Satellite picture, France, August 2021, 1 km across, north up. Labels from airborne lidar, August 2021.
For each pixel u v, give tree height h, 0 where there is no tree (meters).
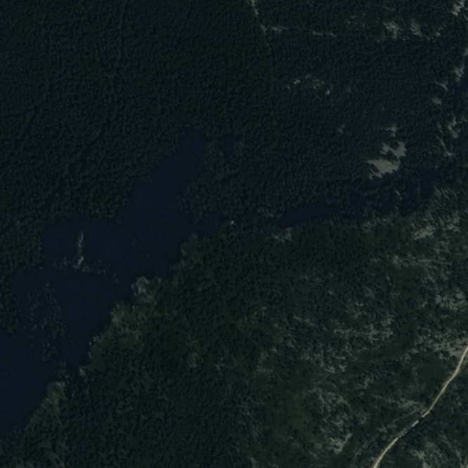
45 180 25
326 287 14
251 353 6
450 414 0
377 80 13
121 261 26
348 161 19
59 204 25
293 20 19
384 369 6
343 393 0
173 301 8
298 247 8
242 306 7
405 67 17
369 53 16
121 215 24
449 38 13
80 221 25
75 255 10
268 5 7
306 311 7
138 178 20
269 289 13
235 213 21
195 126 24
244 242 10
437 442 0
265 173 24
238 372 7
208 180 24
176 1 17
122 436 11
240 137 16
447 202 7
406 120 8
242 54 19
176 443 8
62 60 28
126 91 24
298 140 18
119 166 25
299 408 0
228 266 6
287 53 10
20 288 18
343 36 6
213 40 20
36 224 28
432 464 0
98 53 21
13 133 25
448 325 0
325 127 19
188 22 19
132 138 21
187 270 7
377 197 12
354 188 16
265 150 12
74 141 27
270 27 11
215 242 14
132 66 22
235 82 27
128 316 0
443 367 0
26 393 20
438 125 12
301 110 15
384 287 0
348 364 0
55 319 7
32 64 25
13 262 12
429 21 14
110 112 23
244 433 8
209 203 26
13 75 25
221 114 25
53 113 26
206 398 15
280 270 14
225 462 13
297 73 14
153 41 20
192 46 22
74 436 13
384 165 0
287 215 13
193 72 27
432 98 8
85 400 8
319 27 13
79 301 17
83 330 16
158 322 7
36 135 14
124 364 14
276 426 0
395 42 10
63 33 18
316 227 8
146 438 7
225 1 16
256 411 11
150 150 17
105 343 0
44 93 26
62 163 29
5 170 27
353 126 11
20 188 24
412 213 14
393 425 0
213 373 9
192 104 24
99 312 22
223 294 10
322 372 0
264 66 17
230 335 9
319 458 0
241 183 26
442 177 13
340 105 11
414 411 0
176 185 19
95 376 7
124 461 14
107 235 20
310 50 17
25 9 26
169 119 21
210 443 14
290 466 0
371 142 11
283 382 0
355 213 14
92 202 25
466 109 7
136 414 13
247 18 17
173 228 22
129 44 29
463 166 6
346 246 8
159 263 19
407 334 7
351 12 12
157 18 20
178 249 11
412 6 14
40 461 11
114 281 22
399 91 13
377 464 0
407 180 21
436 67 18
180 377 16
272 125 18
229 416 14
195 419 7
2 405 25
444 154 6
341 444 0
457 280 5
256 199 22
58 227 25
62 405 11
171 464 10
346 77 9
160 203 20
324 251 8
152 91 23
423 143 12
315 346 7
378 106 14
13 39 24
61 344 17
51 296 20
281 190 27
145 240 24
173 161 14
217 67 24
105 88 24
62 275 15
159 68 20
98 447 15
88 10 22
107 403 14
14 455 18
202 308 9
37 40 22
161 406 15
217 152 20
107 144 24
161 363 10
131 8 21
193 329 8
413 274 0
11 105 22
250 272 19
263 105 18
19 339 18
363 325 0
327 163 17
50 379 23
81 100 29
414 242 0
